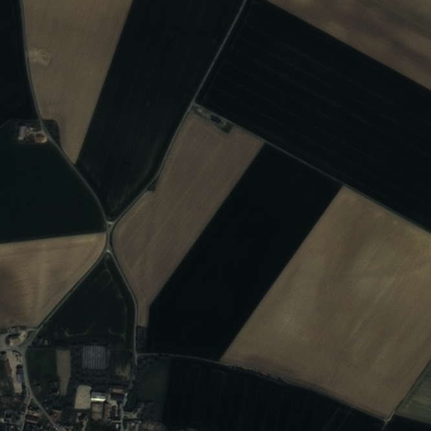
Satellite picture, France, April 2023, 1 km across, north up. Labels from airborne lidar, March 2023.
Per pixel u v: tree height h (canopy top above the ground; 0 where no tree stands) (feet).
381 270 0
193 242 0
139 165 0
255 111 0
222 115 0
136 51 0
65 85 0
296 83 0
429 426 0
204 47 0
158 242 0
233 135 0
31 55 0
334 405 0
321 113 0
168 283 0
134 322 0
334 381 0
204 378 0
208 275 0
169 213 0
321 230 0
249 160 0
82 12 0
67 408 19
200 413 0
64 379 0
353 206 0
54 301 0
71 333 0
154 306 0
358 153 0
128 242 0
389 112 0
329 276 0
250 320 0
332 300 0
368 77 0
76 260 0
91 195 0
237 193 0
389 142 0
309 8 0
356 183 0
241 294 0
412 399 0
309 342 0
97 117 0
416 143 0
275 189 0
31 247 0
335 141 0
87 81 0
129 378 0
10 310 0
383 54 0
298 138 0
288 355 0
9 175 0
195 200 0
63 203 0
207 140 0
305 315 0
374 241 0
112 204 0
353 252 0
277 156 0
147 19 0
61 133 0
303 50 0
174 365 0
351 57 0
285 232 0
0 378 0
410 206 0
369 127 0
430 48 0
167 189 0
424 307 0
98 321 0
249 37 0
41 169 0
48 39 0
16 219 0
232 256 0
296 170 0
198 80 0
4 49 0
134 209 0
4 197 0
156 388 0
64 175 0
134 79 0
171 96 0
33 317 0
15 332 0
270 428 0
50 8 0
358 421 0
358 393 0
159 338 0
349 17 0
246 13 0
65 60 0
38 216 0
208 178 0
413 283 0
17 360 0
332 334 0
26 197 0
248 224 0
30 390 0
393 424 0
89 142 0
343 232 0
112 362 0
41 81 0
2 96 0
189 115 0
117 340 0
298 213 0
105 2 0
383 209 0
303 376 0
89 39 0
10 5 0
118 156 0
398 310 0
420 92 0
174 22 0
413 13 0
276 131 0
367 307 0
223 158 0
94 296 0
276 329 0
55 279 0
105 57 0
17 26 0
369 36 0
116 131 0
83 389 0
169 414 0
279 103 0
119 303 0
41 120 0
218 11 0
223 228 0
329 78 0
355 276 0
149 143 0
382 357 0
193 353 0
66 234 0
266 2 0
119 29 0
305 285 0
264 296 0
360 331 0
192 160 0
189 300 0
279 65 0
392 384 0
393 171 0
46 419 0
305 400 0
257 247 0
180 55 0
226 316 0
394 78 0
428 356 0
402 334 0
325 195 0
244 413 0
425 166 0
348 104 0
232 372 0
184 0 0
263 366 0
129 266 0
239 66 0
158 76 0
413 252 0
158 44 0
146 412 38
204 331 0
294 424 0
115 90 0
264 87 0
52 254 0
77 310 0
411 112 0
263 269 0
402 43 0
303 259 0
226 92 0
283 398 0
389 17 0
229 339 0
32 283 0
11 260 0
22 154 0
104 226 0
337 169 0
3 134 0
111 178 0
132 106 0
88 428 0
